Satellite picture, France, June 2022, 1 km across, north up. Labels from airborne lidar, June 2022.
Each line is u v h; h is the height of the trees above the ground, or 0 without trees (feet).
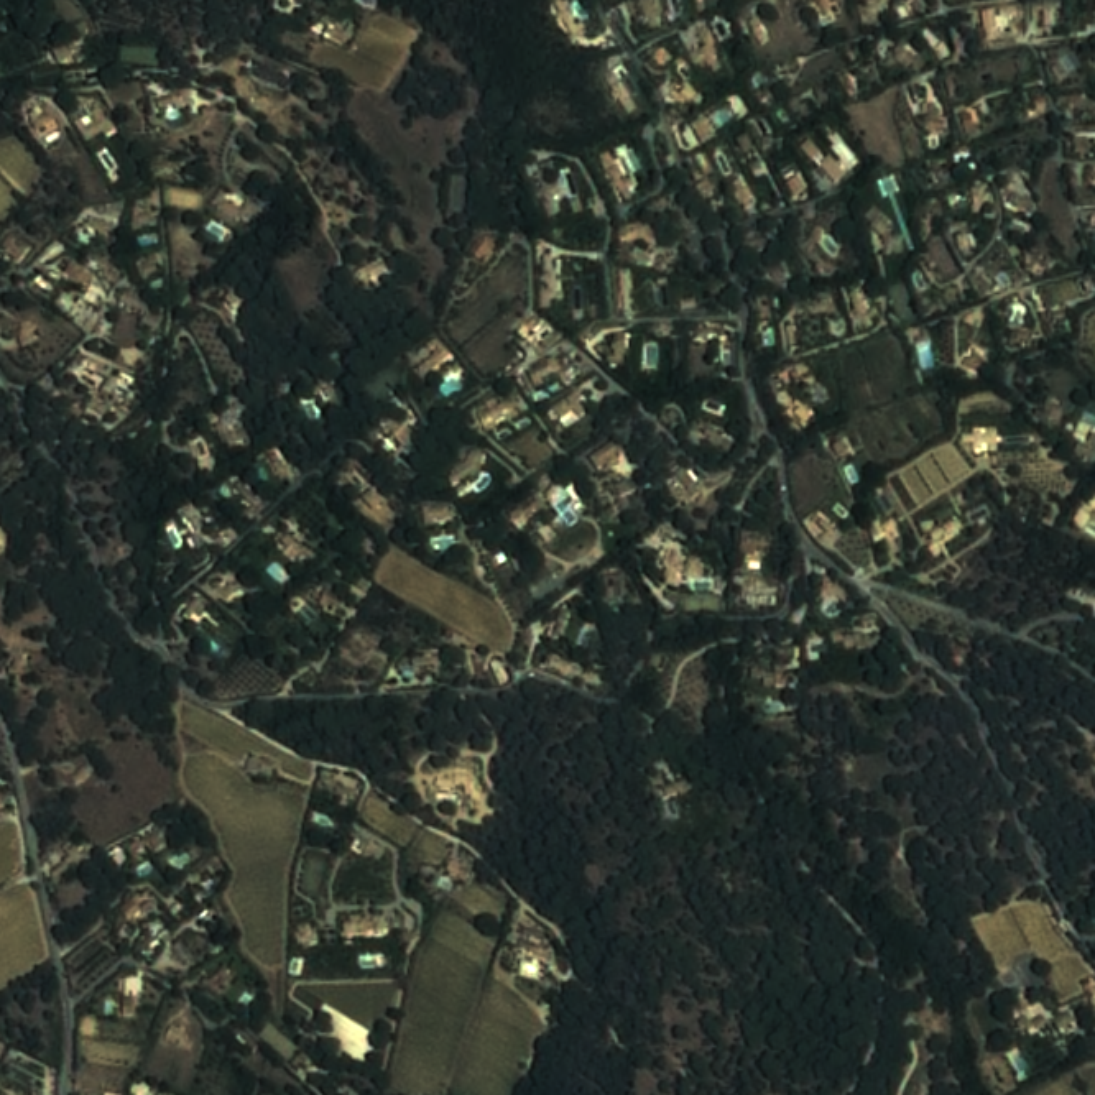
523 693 33
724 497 34
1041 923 0
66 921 31
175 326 19
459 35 45
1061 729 34
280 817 0
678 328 32
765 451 30
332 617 22
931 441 17
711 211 49
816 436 39
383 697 23
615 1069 37
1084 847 34
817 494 0
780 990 44
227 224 0
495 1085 0
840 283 31
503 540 29
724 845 46
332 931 20
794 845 54
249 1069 30
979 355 0
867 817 36
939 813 33
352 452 52
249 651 39
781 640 35
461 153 33
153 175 33
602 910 45
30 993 25
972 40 38
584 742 43
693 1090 40
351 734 44
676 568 0
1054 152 34
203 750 0
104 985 20
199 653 43
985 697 31
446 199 30
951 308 29
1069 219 0
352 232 32
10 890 0
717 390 40
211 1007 34
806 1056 40
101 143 0
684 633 34
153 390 25
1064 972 0
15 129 35
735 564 40
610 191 29
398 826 0
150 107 21
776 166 21
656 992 36
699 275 33
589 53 36
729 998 39
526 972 0
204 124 0
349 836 23
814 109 21
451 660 41
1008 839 41
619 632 40
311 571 34
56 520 26
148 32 23
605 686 39
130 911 0
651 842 37
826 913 44
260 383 34
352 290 37
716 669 28
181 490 22
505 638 0
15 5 42
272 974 0
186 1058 0
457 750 33
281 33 24
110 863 39
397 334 47
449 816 34
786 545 20
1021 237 44
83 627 42
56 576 36
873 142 0
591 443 26
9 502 48
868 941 46
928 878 43
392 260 39
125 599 35
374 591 20
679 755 43
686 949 35
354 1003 0
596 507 28
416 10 41
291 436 27
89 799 0
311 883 0
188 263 0
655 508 39
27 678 20
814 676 36
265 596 35
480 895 0
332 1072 31
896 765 29
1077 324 24
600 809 33
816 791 36
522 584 34
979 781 38
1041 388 32
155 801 0
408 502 30
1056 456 30
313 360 52
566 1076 38
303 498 27
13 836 0
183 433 26
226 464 24
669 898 21
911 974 29
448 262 39
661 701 41
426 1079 0
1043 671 39
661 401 34
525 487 31
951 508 0
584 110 24
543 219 49
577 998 40
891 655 47
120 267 19
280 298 35
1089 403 30
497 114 37
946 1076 36
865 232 47
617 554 20
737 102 0
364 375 41
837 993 44
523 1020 0
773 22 27
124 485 28
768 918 35
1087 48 54
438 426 36
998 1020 38
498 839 29
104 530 38
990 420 0
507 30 30
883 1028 43
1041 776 38
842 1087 41
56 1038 0
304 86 35
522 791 33
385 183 33
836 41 39
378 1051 39
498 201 39
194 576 23
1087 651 30
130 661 40
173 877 37
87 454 37
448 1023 0
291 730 43
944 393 28
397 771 44
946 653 39
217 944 47
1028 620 29
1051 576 21
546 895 32
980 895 36
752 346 33
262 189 34
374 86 0
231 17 31
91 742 21
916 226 42
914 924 41
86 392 35
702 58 0
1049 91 30
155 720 40
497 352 0
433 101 38
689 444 34
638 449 37
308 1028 57
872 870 39
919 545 30
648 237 0
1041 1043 19
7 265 30
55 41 44
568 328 20
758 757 29
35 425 36
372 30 0
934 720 34
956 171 43
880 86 22
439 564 30
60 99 31
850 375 0
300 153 28
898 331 24
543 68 25
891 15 39
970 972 64
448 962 0
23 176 0
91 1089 0
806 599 32
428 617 19
